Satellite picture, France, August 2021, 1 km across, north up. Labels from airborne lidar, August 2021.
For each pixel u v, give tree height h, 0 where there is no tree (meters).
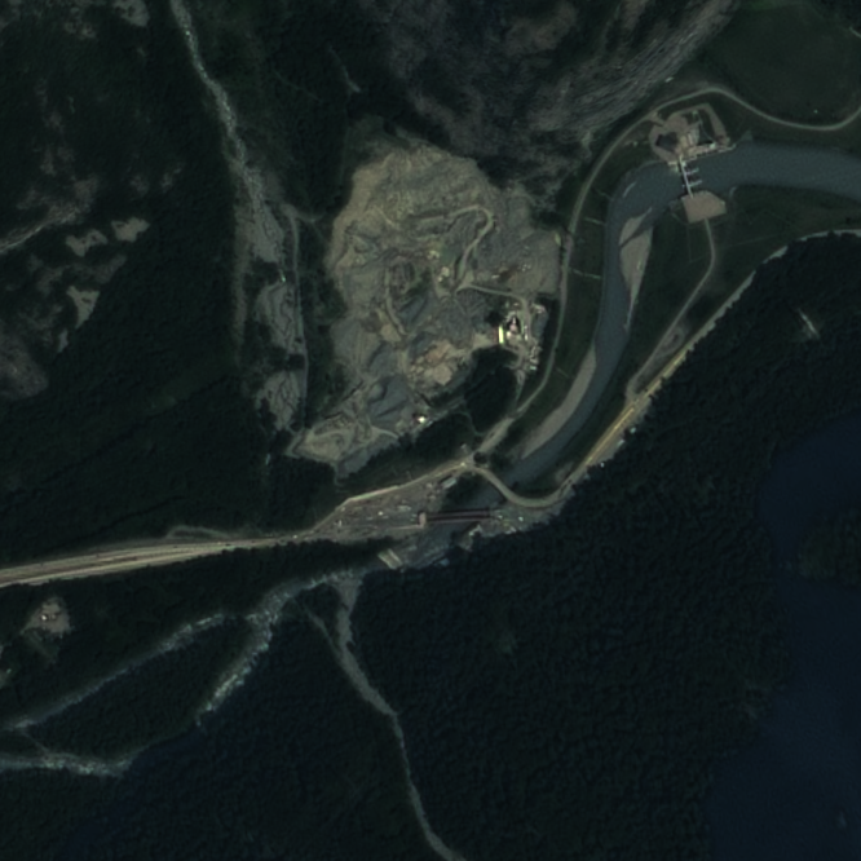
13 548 19
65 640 11
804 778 7
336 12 12
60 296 11
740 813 28
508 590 26
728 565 19
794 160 0
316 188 9
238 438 22
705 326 0
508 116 7
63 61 8
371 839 21
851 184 0
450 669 28
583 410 0
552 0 13
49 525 19
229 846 27
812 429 23
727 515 24
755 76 0
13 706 17
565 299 0
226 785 25
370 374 0
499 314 10
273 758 27
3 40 13
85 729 19
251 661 0
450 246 0
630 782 16
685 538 22
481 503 0
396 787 21
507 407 15
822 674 14
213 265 10
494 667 56
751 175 0
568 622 23
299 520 9
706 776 19
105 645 14
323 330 10
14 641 11
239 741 29
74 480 17
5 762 0
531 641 20
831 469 25
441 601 25
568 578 29
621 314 0
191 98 15
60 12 8
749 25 0
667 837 28
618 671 30
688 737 28
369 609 16
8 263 17
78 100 10
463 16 9
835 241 18
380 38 8
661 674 24
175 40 15
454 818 18
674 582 24
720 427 11
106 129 12
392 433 0
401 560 0
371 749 25
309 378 7
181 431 19
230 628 14
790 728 0
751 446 21
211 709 0
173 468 18
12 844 15
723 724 24
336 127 11
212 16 6
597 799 26
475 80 5
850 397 24
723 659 29
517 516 0
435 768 22
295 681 19
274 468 9
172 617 16
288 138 6
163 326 16
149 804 24
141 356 17
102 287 12
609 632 27
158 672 18
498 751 24
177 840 23
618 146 0
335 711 23
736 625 24
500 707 25
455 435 16
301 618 11
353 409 0
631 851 23
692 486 21
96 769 0
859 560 18
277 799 23
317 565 20
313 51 17
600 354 0
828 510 36
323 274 9
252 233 0
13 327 6
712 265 0
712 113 0
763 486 22
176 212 12
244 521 15
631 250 0
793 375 18
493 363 16
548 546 22
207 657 19
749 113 0
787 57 0
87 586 13
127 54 22
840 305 20
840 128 0
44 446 14
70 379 19
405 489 0
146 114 19
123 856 28
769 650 14
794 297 18
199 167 16
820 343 46
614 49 13
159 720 18
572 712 25
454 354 0
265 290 0
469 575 21
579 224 0
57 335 7
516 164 9
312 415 11
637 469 18
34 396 13
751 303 11
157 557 0
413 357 0
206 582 17
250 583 17
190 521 15
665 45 8
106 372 9
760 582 27
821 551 12
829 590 12
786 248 0
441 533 0
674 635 25
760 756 20
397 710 16
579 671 22
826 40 0
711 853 15
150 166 14
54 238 13
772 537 25
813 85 0
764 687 10
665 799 20
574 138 7
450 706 22
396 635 16
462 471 0
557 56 8
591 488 21
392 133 20
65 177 7
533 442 0
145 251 9
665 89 0
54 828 15
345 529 0
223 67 10
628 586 31
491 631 24
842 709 9
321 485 21
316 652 16
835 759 0
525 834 19
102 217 13
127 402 18
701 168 0
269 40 11
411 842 19
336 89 18
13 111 16
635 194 0
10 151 11
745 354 13
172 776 25
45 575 0
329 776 19
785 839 11
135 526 14
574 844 22
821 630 25
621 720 24
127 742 15
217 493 18
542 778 15
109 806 17
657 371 0
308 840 25
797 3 0
